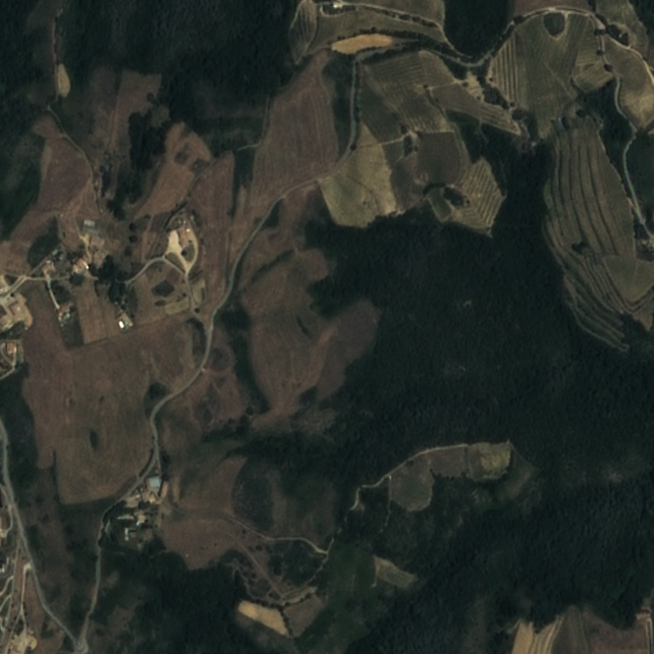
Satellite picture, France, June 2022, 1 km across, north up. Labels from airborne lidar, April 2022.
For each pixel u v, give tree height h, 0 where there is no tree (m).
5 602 0
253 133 0
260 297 0
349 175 0
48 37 0
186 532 0
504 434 11
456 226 7
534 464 9
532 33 0
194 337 0
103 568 0
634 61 0
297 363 0
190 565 0
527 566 15
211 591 7
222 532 0
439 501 7
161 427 0
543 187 7
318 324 0
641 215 0
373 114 0
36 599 0
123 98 0
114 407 0
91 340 0
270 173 0
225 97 0
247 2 13
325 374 0
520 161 11
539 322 12
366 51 8
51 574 0
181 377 0
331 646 0
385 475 6
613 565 10
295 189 0
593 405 15
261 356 0
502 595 18
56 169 0
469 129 7
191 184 0
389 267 10
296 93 0
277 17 9
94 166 0
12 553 0
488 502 0
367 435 9
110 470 0
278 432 0
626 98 0
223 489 0
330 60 0
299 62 0
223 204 0
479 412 12
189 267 0
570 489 8
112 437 0
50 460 0
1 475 8
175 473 0
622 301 0
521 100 0
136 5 10
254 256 0
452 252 8
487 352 12
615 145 6
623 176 8
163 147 11
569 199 0
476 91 0
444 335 7
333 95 0
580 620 0
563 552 7
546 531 7
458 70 7
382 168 0
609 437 11
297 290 0
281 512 0
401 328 8
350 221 0
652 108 0
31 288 0
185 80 18
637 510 8
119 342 0
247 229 0
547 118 0
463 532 10
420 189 0
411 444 8
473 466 0
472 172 0
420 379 7
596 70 0
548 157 18
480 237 10
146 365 0
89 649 0
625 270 0
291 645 0
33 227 0
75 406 0
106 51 9
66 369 0
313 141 0
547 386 11
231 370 0
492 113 0
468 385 12
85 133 0
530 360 11
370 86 0
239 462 0
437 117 0
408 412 10
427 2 0
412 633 9
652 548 7
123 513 9
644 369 15
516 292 14
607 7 0
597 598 7
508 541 8
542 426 9
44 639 0
